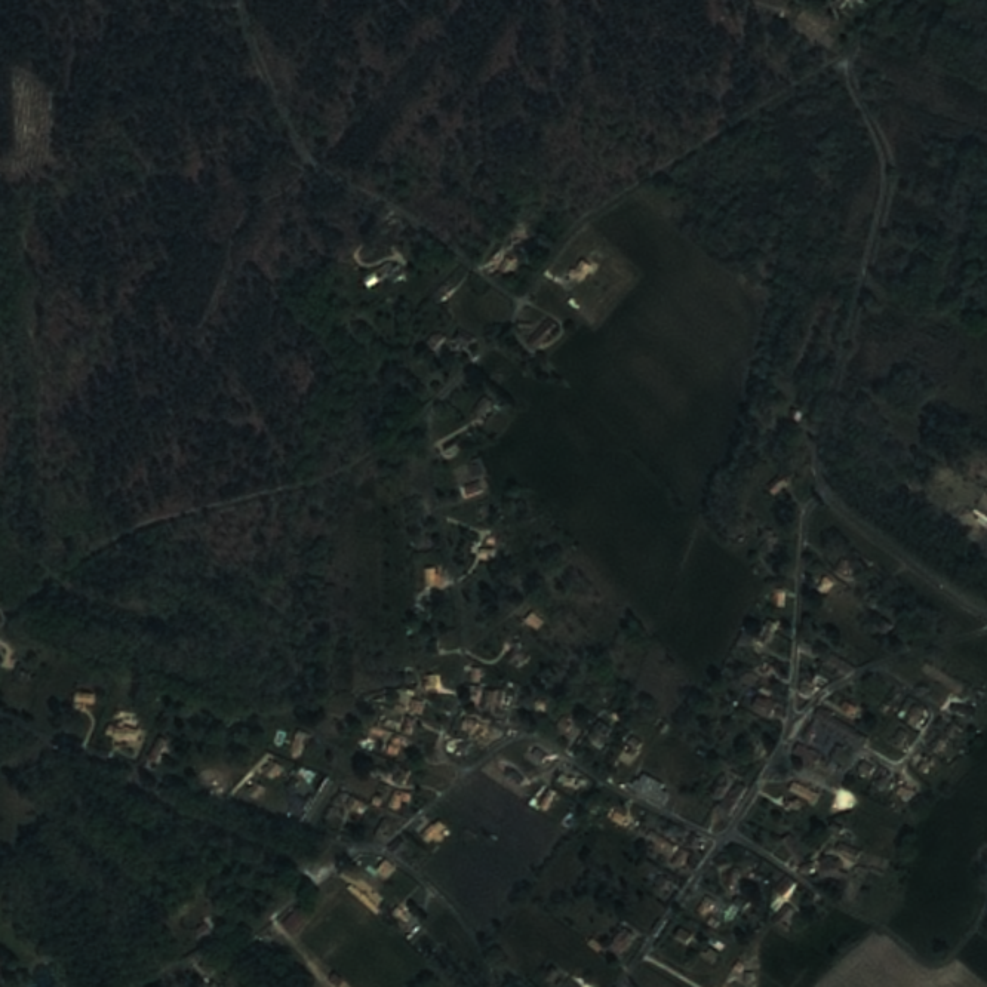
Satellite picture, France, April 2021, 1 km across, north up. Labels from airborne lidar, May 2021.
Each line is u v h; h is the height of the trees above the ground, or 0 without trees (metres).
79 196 14
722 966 0
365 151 13
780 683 15
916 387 18
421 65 9
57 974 11
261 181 19
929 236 17
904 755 0
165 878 16
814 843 9
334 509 15
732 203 8
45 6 10
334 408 16
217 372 17
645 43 16
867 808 0
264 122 9
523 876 0
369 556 0
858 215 0
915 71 0
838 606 0
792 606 0
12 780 19
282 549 10
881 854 0
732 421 0
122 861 15
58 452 12
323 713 11
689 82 12
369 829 12
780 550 8
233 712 21
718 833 0
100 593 20
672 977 0
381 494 0
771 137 9
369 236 19
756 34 21
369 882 0
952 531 28
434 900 0
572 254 0
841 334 17
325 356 20
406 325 17
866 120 10
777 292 10
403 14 15
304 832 19
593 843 0
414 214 8
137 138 16
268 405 19
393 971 0
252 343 12
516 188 20
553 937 0
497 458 0
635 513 0
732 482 15
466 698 16
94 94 18
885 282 17
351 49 11
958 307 19
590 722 17
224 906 21
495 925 9
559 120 24
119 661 21
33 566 13
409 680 7
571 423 0
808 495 0
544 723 18
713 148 9
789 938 0
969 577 26
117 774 17
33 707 0
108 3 13
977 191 13
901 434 0
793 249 8
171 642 27
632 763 0
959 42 19
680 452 0
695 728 14
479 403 0
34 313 16
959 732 7
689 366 0
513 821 0
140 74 11
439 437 0
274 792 0
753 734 10
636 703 8
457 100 11
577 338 0
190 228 16
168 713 6
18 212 17
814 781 0
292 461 9
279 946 0
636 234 0
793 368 15
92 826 18
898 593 7
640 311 0
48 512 10
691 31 17
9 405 15
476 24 24
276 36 17
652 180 17
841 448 23
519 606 20
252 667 23
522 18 19
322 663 16
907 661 11
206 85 18
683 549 0
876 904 0
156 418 22
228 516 7
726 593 0
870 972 0
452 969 26
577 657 17
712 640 0
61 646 22
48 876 15
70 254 21
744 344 0
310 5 16
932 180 8
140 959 21
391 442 20
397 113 10
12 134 12
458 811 0
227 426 15
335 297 20
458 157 14
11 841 0
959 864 0
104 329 11
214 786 0
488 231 25
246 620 17
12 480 15
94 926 24
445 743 0
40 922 15
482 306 0
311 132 9
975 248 22
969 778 0
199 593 26
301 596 10
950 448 19
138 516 16
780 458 27
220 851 7
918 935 0
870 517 24
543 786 0
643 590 0
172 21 23
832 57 11
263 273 14
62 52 17
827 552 13
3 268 18
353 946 0
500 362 0
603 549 0
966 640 0
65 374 20
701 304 0
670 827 6
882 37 9
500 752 0
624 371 0
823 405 19
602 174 9
